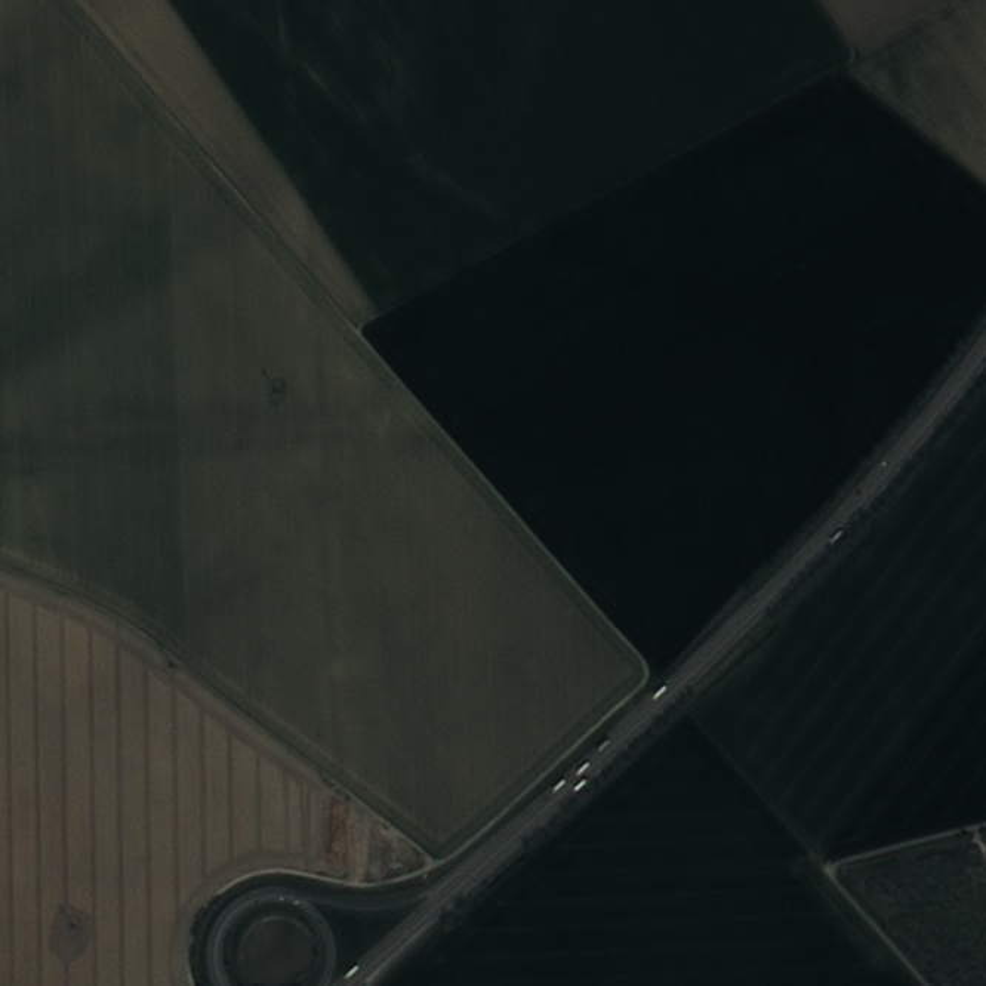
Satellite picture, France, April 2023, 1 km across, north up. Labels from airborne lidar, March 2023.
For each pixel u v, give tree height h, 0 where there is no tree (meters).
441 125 0
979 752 0
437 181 0
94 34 0
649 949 0
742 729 0
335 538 0
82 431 0
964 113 0
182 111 0
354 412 0
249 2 0
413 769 0
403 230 0
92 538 0
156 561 0
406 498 0
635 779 0
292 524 0
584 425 0
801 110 0
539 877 0
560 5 0
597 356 0
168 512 0
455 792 0
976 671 0
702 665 0
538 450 0
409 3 0
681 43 0
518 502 0
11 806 0
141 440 0
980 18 0
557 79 0
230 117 0
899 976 0
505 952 0
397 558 0
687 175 0
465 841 0
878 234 0
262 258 0
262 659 0
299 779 0
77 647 0
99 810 0
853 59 0
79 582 0
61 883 0
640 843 0
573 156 0
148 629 0
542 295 0
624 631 0
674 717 12
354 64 0
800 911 0
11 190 0
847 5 0
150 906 0
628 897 0
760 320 0
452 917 8
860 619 0
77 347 0
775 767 0
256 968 0
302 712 0
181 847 0
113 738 0
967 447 0
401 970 0
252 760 0
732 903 0
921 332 0
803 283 0
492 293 0
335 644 0
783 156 0
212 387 0
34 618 0
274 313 0
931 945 0
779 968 0
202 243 0
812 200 0
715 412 0
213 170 0
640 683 0
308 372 0
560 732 0
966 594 0
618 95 0
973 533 0
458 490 0
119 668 0
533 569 0
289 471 0
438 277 0
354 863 0
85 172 0
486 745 0
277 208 0
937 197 0
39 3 0
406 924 0
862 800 0
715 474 0
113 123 0
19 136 0
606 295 0
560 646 0
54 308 0
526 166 0
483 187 0
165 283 0
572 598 0
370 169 0
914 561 0
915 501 0
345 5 0
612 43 0
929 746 0
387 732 0
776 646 0
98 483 0
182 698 0
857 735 0
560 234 0
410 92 0
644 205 0
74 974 0
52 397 0
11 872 0
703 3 0
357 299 0
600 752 0
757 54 0
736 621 0
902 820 0
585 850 0
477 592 0
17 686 0
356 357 0
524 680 0
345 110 0
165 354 0
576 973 0
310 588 0
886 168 0
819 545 0
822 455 0
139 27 0
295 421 0
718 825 0
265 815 0
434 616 0
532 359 0
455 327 0
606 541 0
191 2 0
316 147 0
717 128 0
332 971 0
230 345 0
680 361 0
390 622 0
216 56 0
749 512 0
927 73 0
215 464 0
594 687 0
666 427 0
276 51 0
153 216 0
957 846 0
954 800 0
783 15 0
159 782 0
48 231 0
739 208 0
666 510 0
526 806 0
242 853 0
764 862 0
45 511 0
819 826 0
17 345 0
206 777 0
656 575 0
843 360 0
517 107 0
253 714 0
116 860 0
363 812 0
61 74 0
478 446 0
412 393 0
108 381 0
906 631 0
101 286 0
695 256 0
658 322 0
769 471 0
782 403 0
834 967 0
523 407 0
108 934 0
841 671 0
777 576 0
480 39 0
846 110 0
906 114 0
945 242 0
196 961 9
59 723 0
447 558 0
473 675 0
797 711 0
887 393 0
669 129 0
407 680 0
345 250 0
